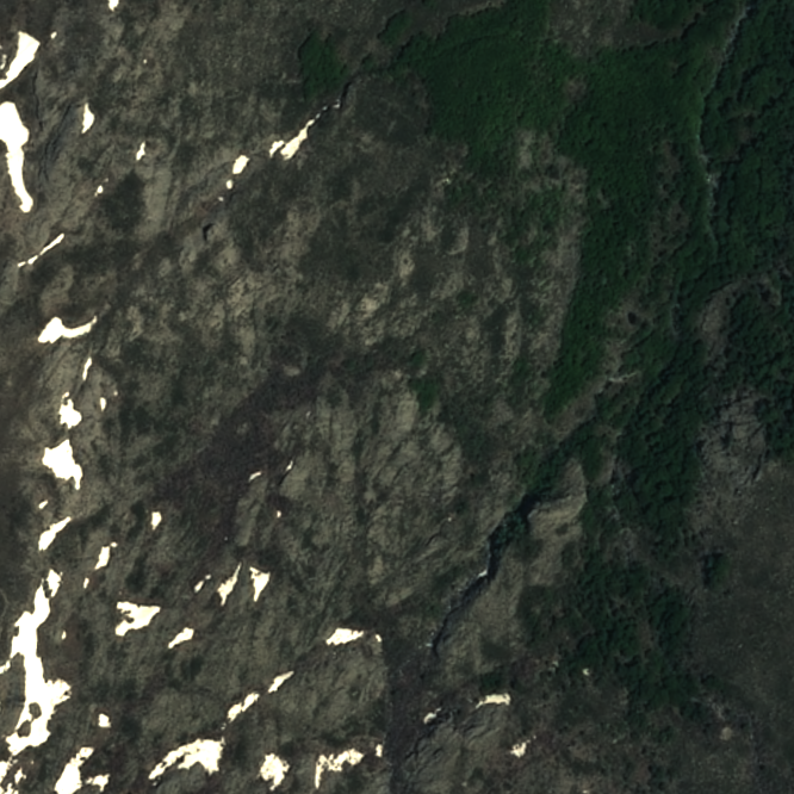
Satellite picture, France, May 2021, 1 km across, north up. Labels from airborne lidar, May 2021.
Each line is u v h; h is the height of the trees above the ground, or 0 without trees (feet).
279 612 0
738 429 0
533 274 0
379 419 0
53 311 0
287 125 0
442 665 0
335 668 0
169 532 0
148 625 0
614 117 50
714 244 41
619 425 29
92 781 0
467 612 0
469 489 29
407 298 0
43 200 0
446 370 0
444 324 0
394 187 0
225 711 0
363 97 0
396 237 0
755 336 51
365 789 0
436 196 0
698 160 73
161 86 0
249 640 0
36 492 0
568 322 30
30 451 0
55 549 0
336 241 0
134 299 0
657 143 34
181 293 0
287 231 0
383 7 0
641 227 37
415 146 0
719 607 0
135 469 0
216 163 0
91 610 0
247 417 40
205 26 0
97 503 0
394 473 0
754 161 75
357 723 0
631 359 35
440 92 36
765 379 45
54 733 0
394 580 0
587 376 32
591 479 23
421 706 0
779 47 33
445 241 0
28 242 0
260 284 0
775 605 0
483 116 41
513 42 52
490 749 0
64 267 0
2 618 0
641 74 57
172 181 0
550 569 0
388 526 0
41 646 0
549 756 0
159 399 0
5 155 0
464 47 54
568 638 0
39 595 0
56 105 0
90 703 0
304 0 0
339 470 0
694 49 72
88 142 0
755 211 64
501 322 0
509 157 19
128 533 0
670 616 56
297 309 0
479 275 0
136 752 0
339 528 0
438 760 0
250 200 0
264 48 0
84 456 0
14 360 0
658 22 56
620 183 54
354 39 0
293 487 0
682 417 79
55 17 0
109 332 0
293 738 0
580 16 0
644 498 69
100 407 0
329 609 0
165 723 0
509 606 0
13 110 0
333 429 0
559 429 0
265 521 0
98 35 0
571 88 0
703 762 0
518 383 26
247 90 0
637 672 63
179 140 0
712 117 45
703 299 32
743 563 0
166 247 0
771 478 0
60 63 0
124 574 0
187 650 0
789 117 38
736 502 0
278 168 0
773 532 0
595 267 37
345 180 0
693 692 45
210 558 27
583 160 42
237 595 0
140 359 0
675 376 64
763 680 0
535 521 0
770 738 0
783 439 63
